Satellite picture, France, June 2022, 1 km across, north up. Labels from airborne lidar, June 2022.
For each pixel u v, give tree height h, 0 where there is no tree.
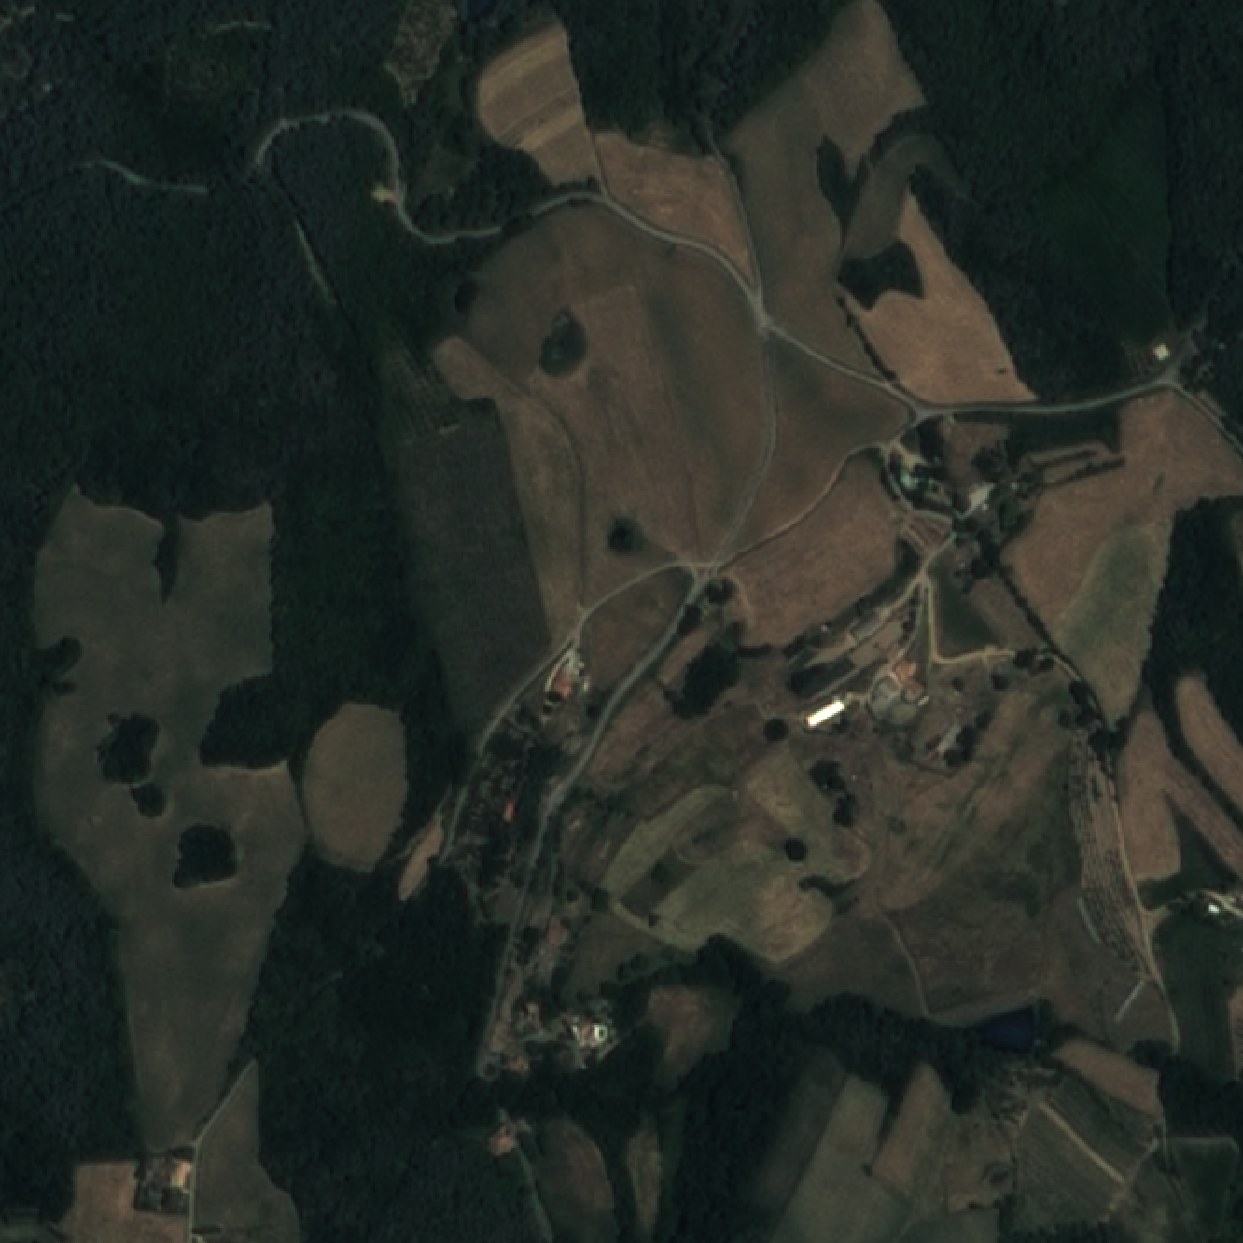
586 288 0
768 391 0
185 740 0
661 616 0
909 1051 12
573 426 0
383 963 15
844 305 6
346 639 14
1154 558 0
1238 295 13
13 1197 7
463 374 0
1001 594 0
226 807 0
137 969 0
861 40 0
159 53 12
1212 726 0
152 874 0
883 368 6
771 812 0
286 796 0
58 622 0
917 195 10
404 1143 21
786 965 0
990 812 0
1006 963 0
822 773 12
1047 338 15
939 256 0
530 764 7
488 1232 18
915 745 0
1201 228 18
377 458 11
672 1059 0
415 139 14
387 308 14
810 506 0
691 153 0
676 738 0
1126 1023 0
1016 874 0
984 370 0
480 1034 11
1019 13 18
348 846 0
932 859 0
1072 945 0
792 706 0
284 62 15
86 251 17
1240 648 12
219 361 22
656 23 14
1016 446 10
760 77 14
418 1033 12
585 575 0
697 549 0
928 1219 0
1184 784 0
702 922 0
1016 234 16
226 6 15
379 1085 10
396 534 10
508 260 0
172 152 7
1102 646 0
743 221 0
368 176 12
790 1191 0
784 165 0
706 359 0
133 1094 8
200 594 0
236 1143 0
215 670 0
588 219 0
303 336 14
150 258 17
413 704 11
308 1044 9
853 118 0
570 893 8
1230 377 8
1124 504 0
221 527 0
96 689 0
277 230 17
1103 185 6
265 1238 0
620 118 10
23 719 14
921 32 13
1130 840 0
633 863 0
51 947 12
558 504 0
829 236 0
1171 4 17
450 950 16
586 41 19
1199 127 21
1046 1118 0
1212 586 11
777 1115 21
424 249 10
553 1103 10
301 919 12
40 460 14
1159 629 10
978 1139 0
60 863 16
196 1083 0
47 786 0
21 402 14
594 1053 8
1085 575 0
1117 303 5
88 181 18
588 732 0
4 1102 11
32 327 16
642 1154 0
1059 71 20
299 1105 12
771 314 0
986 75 16
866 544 0
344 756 0
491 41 7
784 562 0
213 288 21
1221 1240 7
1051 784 0
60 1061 14
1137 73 15
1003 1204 7
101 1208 0
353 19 17
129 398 16
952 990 0
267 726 12
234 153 9
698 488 0
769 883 0
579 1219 0
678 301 0
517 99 0
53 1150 6
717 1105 20
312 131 15
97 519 0
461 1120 15
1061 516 0
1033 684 0
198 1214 0
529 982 8
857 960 0
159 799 13
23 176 13
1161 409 0
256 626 0
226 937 0
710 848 0
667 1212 8
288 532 12
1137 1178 0
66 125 17
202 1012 0
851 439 0
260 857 0
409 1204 15
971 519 8
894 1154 0
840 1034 12
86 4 15
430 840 0
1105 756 8
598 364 0
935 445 10
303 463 8
